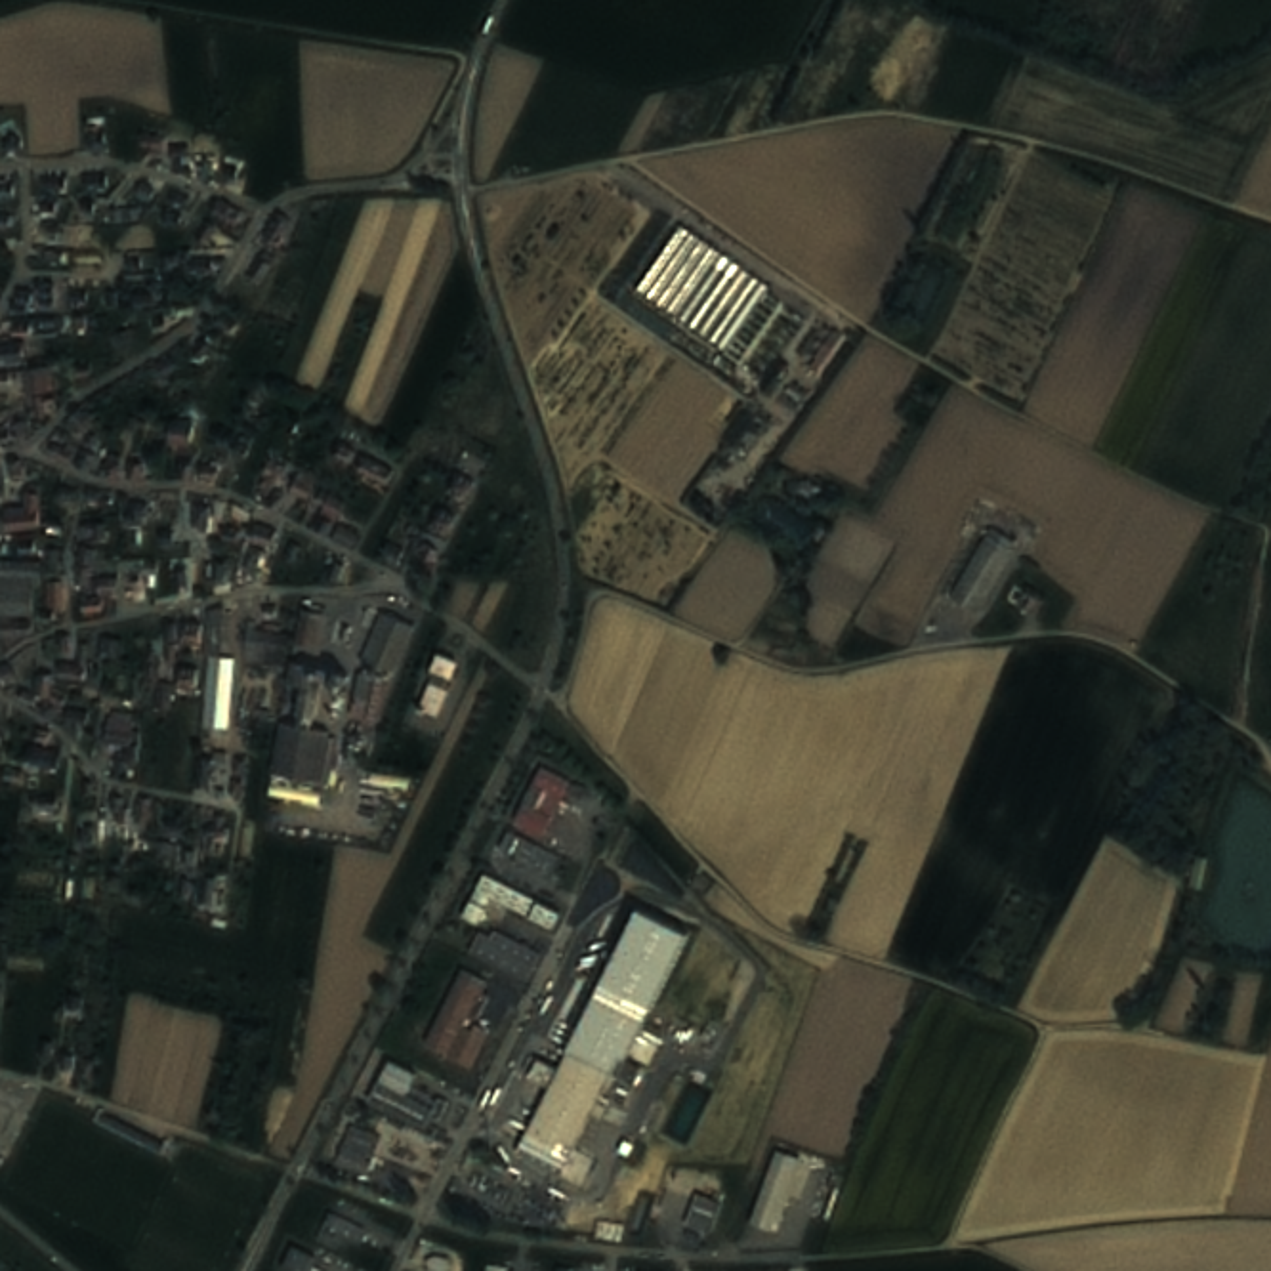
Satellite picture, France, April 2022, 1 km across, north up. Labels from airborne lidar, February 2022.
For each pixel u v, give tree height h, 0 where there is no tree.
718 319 0
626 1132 0
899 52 0
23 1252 0
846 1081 0
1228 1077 0
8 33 0
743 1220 0
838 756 0
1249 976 0
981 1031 0
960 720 0
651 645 0
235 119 0
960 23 15
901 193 0
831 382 7
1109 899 0
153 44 0
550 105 0
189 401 9
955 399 0
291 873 0
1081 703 0
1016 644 0
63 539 0
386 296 0
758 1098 0
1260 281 0
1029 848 0
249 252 0
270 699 0
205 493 0
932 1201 0
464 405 0
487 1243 0
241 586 0
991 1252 0
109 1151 0
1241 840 0
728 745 0
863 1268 0
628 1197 0
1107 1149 0
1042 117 0
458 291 0
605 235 0
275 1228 0
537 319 0
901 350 0
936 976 0
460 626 0
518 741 0
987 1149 0
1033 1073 0
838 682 0
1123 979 0
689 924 0
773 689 0
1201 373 0
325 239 0
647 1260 0
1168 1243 0
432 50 0
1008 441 0
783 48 0
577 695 0
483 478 0
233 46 0
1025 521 0
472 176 0
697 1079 0
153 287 11
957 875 0
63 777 0
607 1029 0
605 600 0
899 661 0
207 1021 0
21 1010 0
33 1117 0
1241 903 0
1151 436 0
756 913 0
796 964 0
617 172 0
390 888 0
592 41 0
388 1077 0
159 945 0
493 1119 0
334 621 0
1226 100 0
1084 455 0
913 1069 0
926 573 0
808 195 0
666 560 0
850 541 0
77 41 0
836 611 0
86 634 0
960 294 0
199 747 11
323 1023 0
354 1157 0
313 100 0
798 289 0
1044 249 0
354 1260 0
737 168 0
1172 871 15
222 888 0
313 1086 0
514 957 0
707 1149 0
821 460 0
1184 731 23
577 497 0
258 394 9
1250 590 0
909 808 0
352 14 0
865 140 0
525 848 0
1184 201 0
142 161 0
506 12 0
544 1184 0
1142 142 0
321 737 0
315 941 0
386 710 0
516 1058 0
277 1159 0
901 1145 0
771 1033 0
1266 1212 0
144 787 0
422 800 0
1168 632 0
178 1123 0
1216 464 0
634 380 0
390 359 0
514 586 0
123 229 0
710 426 0
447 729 0
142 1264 0
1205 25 0
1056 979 0
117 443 0
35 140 0
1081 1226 0
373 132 0
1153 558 0
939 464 0
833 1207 0
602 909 0
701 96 0
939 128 0
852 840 0
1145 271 0
